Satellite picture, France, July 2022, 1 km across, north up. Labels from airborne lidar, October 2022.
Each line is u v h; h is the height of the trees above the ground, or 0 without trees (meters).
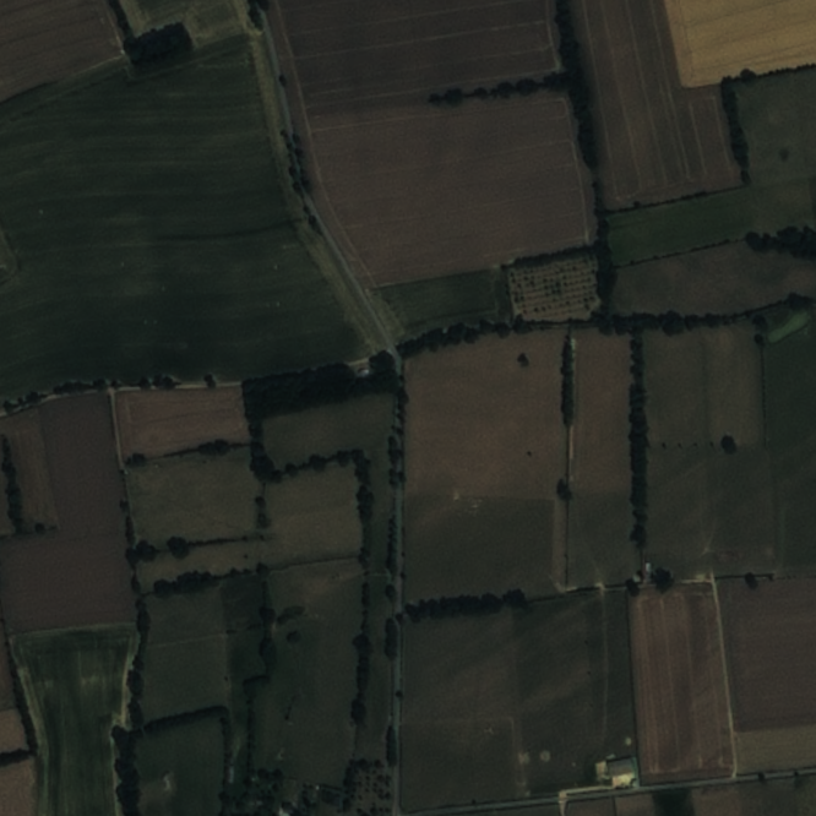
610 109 0
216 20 0
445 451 0
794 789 0
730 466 0
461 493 0
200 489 0
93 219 0
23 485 0
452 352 0
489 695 0
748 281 0
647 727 0
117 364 0
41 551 0
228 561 0
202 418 0
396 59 0
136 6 0
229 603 0
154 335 0
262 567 13
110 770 0
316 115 0
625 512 0
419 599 0
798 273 0
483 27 0
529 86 15
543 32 0
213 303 0
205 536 0
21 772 0
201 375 0
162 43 20
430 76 0
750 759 0
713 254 0
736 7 0
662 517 0
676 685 0
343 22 0
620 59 0
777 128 0
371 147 0
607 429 0
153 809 0
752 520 0
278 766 0
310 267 0
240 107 0
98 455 0
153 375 0
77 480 0
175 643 0
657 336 0
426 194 0
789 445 0
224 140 0
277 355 0
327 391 20
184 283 0
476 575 0
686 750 0
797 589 0
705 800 0
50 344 0
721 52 0
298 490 0
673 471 0
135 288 0
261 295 0
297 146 10
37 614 0
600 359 0
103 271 0
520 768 0
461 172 0
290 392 18
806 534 0
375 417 0
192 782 0
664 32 0
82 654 0
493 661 0
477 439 0
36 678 0
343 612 0
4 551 0
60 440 0
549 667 0
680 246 0
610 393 0
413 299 0
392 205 0
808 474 0
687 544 0
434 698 0
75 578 0
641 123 0
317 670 0
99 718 0
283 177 0
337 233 0
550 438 0
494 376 0
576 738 0
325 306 0
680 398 0
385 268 0
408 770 0
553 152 0
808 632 0
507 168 0
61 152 0
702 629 0
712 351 0
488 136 0
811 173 0
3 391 0
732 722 0
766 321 14
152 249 0
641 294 0
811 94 0
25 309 0
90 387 8
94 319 0
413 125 0
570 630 0
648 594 0
